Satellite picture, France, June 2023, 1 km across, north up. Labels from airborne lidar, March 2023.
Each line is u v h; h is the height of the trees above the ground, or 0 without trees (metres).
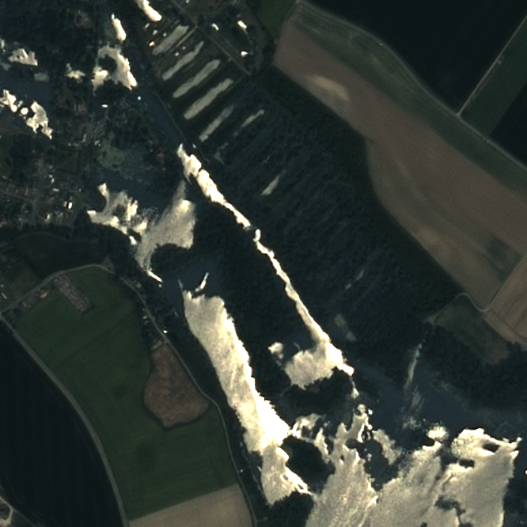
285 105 12
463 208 0
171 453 0
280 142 15
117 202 0
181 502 0
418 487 0
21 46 0
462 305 0
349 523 0
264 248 0
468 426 0
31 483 0
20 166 13
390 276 15
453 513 0
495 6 0
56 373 0
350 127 0
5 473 0
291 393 11
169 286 0
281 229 21
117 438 0
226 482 0
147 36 0
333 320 0
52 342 0
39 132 0
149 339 17
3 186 0
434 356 27
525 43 0
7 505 0
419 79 0
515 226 0
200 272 0
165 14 0
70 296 0
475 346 0
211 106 0
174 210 0
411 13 0
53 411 0
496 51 0
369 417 0
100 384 0
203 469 0
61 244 0
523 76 0
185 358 0
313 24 0
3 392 0
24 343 0
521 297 0
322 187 6
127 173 0
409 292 28
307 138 7
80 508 0
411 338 19
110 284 0
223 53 0
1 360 0
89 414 0
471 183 0
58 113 15
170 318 20
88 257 0
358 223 11
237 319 6
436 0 0
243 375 0
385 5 0
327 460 0
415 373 0
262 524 0
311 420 0
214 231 7
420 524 0
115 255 19
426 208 0
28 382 0
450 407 0
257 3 9
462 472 0
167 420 0
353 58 0
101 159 0
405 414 0
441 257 0
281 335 6
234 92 0
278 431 0
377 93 0
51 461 0
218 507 0
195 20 0
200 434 0
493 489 0
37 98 0
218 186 0
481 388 30
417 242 0
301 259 15
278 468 0
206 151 12
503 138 0
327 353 0
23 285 0
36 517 0
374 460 0
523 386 16
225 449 0
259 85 22
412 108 0
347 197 7
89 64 24
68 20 23
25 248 0
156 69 0
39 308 0
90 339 0
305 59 0
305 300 10
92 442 0
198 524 0
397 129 0
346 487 0
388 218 0
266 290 24
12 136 28
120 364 0
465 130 0
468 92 0
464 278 0
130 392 0
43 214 0
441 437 0
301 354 0
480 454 0
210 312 0
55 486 0
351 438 0
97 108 0
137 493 0
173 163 9
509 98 0
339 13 0
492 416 0
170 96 0
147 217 0
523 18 0
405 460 0
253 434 0
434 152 0
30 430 0
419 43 0
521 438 0
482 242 0
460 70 0
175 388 0
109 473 0
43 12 30
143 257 0
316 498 0
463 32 0
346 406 0
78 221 6
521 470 0
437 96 0
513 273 0
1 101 0
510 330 0
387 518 0
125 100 0
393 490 0
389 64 0
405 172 0
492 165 0
